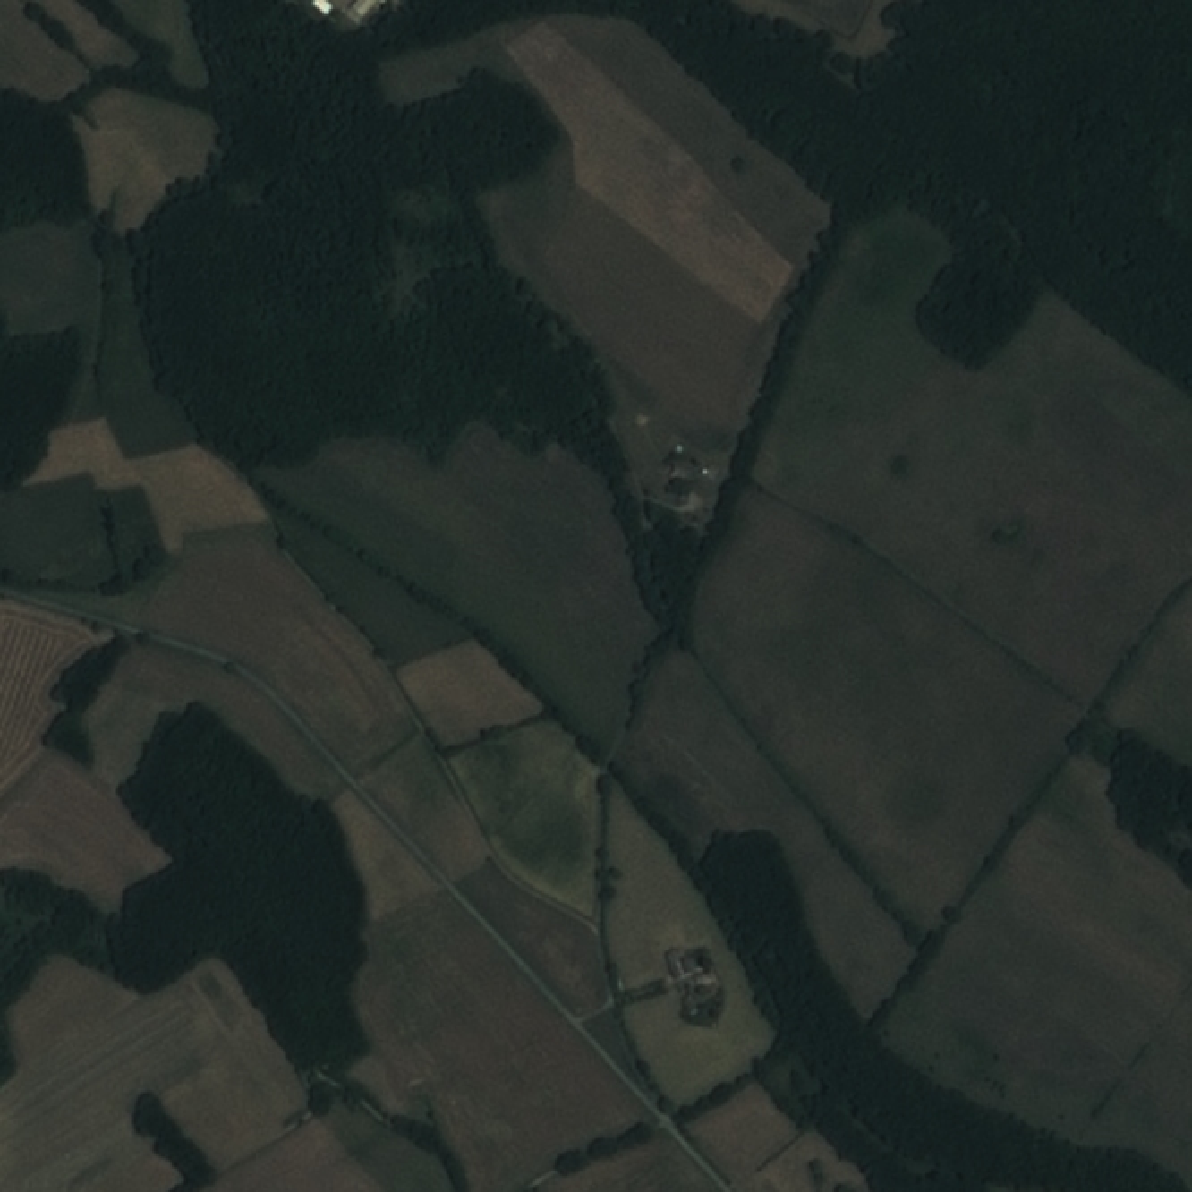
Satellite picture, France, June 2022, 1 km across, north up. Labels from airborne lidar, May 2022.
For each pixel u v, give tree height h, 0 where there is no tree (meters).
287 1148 0
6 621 0
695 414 0
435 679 0
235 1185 0
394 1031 0
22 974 13
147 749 11
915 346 0
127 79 15
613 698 0
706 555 14
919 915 0
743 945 12
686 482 9
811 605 0
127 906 12
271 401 11
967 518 0
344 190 18
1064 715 0
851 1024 15
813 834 0
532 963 0
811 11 0
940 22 18
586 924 0
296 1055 12
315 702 0
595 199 0
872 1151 21
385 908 0
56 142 15
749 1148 0
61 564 0
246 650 0
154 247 18
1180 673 0
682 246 0
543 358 12
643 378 0
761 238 0
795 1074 9
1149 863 0
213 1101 0
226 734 7
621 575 0
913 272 0
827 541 0
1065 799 0
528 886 0
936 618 0
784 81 17
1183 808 9
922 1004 0
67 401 15
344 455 0
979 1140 14
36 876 10
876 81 19
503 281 15
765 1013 9
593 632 0
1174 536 0
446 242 7
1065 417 0
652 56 0
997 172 16
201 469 0
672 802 0
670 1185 0
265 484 9
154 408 0
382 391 8
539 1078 0
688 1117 11
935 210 10
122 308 0
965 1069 0
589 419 16
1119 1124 0
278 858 12
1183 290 20
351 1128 0
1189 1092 0
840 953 0
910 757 0
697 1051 0
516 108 17
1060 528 0
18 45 0
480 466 0
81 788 0
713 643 0
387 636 0
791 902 13
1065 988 0
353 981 8
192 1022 0
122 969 15
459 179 16
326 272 10
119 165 0
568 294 0
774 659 0
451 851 0
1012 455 0
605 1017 0
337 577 0
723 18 18
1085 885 0
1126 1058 0
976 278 14
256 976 10
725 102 12
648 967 0
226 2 18
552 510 0
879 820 0
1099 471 0
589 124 0
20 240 0
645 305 0
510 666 14
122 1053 0
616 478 9
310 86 7
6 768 0
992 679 0
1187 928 0
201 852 13
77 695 13
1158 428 0
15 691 0
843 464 0
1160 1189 14
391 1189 0
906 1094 18
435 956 0
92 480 0
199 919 13
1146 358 13
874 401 0
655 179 0
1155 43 14
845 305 0
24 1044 0
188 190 10
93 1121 0
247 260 11
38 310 0
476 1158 0
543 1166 0
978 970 0
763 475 0
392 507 0
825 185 13
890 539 0
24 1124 0
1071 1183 16
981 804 0
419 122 16
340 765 0
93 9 12
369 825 0
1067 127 18
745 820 0
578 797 0
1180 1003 0
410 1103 0
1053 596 0
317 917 14
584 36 0
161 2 0
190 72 0
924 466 0
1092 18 14
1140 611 0
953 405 0
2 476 14
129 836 0
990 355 7
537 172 12
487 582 0
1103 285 16
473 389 10
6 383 14
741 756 0
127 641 11
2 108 17
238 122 12
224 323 15
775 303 0
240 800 7
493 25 10
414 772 0
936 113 17
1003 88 15
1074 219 15
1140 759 15
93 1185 0
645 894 0
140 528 0
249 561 0
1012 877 0
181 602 0
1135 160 16
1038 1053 0
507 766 0
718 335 0
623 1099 0
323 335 14
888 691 0
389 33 19
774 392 11
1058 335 0
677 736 0
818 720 0
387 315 11
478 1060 0
